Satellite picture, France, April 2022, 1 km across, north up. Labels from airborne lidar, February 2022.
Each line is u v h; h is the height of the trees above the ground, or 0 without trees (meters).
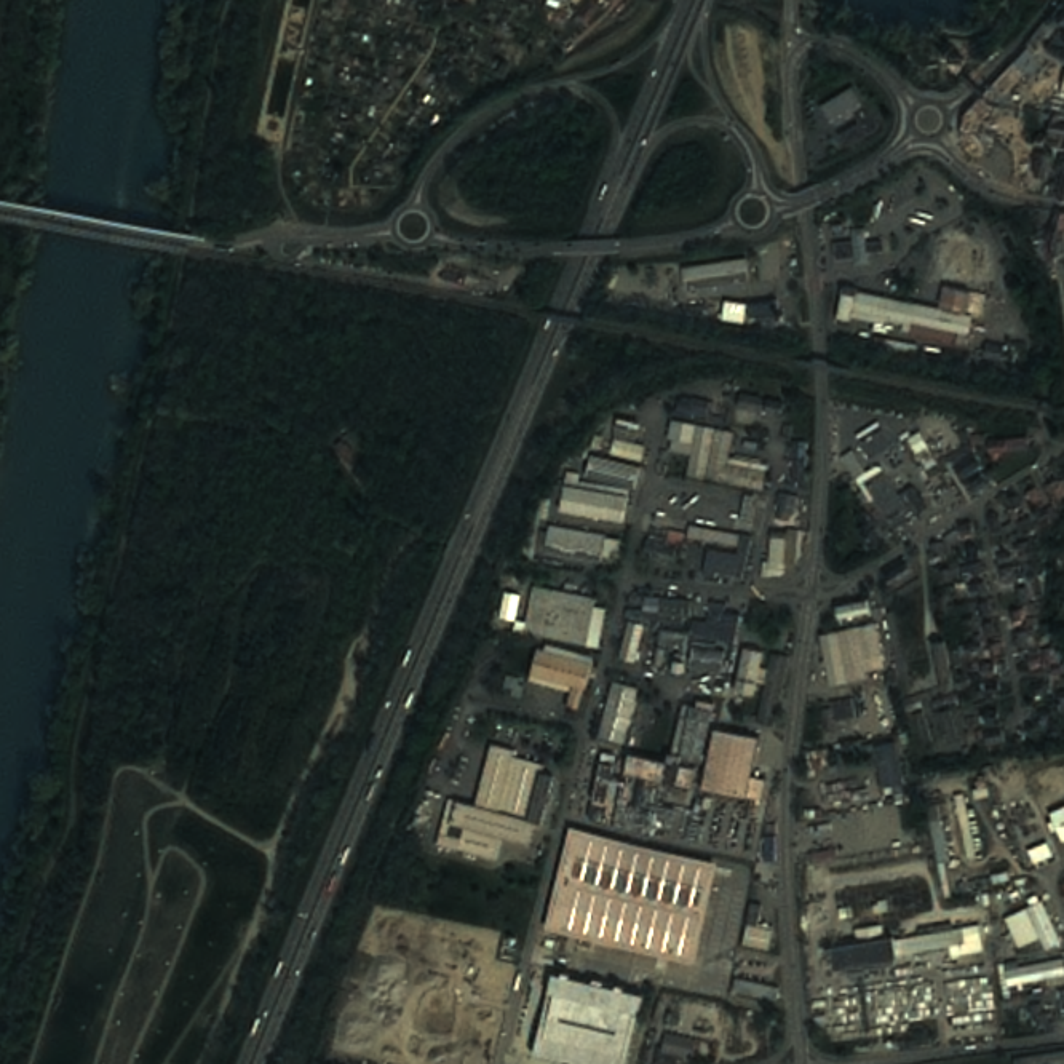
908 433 0
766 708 0
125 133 0
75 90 0
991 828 0
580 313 0
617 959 0
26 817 21
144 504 22
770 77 0
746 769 0
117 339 0
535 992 0
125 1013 0
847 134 0
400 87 0
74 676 29
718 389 0
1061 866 0
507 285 0
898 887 0
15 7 14
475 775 0
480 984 0
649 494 0
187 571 26
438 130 12
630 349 17
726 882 0
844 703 0
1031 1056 0
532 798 0
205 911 0
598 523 0
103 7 0
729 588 0
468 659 0
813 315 0
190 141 9
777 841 0
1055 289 14
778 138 6
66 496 0
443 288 0
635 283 0
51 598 0
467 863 0
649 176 0
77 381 0
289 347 24
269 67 0
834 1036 0
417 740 23
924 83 0
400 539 20
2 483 0
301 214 0
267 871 0
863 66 0
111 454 0
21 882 15
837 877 0
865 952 0
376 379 28
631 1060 0
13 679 0
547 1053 0
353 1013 0
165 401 20
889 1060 0
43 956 14
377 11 0
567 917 0
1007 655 0
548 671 0
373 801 0
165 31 13
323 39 0
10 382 0
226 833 0
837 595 0
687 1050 0
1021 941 0
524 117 21
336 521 17
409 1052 0
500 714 6
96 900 0
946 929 0
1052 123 0
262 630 7
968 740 0
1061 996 0
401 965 0
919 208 0
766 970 0
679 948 0
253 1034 0
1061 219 0
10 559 0
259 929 0
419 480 26
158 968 0
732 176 0
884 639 0
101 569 15
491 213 0
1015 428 0
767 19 7
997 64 0
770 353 0
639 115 0
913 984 0
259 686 0
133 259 0
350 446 0
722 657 0
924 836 0
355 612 15
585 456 0
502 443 0
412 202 0
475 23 0
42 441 0
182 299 19
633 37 0
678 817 0
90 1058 0
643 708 0
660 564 0
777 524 0
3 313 21
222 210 20
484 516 0
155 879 0
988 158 0
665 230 0
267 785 7
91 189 0
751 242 0
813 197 0
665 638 0
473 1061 0
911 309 0
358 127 0
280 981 0
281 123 0
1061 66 0
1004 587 0
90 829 16
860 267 0
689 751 0
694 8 0
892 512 0
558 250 0
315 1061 12
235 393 21
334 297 24
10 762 0
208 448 21
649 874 0
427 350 27
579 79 0
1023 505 0
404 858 18
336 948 15
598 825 0
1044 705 0
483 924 0
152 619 23
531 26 0
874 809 0
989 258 0
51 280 0
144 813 0
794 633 0
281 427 22
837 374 0
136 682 15
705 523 0
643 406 0
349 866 0
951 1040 0
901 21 22
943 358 14
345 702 0
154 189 12
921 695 0
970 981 0
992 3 13
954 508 0
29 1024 15
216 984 0
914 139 0
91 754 16
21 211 0
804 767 13
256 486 16
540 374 0
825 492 0
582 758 0
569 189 0
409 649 0
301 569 13
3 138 16
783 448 0
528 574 15
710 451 0
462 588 0
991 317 0
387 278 0
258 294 22
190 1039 0
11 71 15
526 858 0
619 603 0
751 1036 0
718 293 0
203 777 0
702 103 0
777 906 0
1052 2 0
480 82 0
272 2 0
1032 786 0
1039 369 19
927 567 0
